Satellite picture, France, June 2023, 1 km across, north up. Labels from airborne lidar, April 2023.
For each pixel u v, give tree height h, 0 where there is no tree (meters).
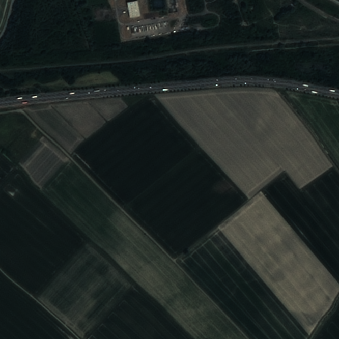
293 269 0
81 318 0
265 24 0
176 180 0
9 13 0
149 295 0
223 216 0
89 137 0
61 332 0
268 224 0
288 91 0
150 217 0
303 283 0
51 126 0
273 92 0
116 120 0
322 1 0
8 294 0
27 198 0
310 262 0
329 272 0
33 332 0
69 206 0
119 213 0
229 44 0
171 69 14
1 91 10
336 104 0
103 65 9
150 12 0
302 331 0
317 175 0
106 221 0
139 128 0
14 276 0
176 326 0
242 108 0
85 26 14
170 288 0
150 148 0
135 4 0
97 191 0
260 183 0
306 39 0
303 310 0
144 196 0
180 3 0
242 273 0
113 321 0
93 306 0
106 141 0
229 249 0
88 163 0
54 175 0
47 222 0
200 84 0
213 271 0
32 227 0
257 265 0
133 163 0
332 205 0
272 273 0
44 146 0
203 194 0
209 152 0
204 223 0
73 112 0
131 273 0
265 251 0
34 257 0
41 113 0
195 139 0
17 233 0
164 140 0
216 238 0
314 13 0
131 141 0
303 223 0
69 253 0
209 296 0
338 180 0
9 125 0
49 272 0
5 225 0
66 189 0
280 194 0
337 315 0
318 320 0
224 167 0
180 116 0
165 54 0
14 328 0
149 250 0
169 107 0
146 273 0
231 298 0
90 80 0
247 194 0
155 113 0
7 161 0
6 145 0
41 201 0
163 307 0
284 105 0
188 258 0
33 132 0
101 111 0
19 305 0
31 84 0
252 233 0
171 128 0
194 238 0
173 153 0
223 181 0
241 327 0
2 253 0
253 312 0
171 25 0
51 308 0
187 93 0
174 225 0
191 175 0
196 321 0
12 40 19
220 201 0
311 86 0
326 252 0
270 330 0
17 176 0
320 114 0
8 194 0
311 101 0
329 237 0
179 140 0
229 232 0
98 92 0
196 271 0
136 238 0
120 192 0
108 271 0
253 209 0
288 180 0
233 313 0
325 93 0
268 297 0
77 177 0
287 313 0
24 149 0
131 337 0
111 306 0
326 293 0
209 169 0
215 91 0
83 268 0
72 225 0
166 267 0
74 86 0
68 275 0
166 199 0
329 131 0
